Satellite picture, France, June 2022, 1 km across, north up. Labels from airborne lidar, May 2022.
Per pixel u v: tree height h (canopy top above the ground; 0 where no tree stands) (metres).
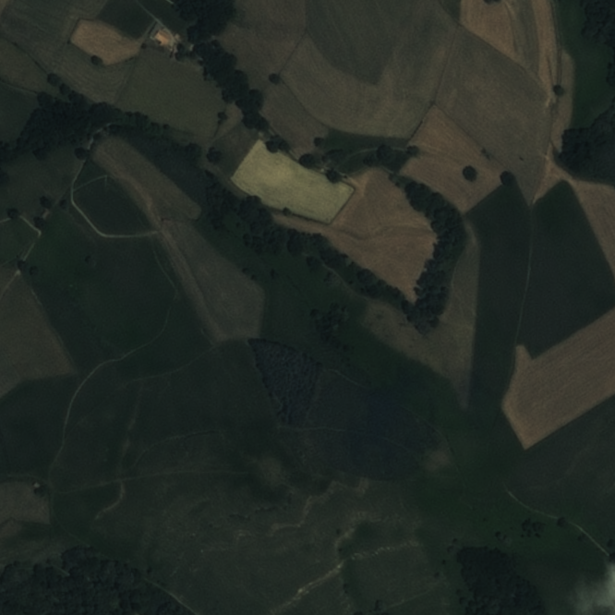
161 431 0
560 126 0
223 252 0
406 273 0
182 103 0
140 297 0
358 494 0
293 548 0
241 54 0
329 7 0
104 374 0
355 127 0
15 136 0
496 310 0
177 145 6
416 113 0
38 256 0
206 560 0
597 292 0
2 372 0
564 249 0
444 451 0
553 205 0
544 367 0
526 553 0
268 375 14
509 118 0
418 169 0
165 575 0
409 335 0
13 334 0
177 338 0
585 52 0
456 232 21
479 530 0
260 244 15
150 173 0
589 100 0
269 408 0
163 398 0
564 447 0
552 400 0
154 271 0
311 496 0
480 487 0
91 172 0
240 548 0
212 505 0
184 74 0
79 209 0
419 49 0
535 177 0
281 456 0
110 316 0
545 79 0
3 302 0
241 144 0
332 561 0
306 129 0
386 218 0
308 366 16
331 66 0
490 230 0
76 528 0
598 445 0
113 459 0
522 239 0
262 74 0
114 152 0
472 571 18
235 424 0
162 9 0
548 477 0
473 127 0
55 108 18
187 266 0
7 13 0
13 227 0
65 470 0
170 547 0
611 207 0
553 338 0
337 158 17
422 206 21
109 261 0
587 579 0
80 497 0
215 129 0
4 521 0
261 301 0
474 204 0
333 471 0
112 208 0
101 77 0
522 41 0
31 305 0
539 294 0
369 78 0
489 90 0
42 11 0
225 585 0
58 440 0
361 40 0
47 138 25
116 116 28
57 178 0
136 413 0
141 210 0
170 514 0
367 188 0
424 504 0
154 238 0
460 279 0
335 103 0
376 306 0
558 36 0
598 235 0
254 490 0
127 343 0
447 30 0
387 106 0
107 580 22
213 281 0
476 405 0
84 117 18
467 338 0
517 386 0
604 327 0
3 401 0
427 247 0
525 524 12
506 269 0
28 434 0
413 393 0
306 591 0
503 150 0
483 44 0
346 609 0
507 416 0
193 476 0
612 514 0
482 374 0
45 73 0
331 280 15
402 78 0
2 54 0
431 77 0
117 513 0
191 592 0
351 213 0
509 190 0
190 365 0
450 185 0
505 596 26
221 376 0
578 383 0
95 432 0
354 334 0
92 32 0
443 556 0
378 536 0
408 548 0
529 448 0
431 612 0
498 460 0
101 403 0
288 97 0
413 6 0
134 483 0
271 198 0
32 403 0
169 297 0
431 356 0
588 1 15
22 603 20
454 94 0
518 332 0
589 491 0
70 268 0
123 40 0
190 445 0
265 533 0
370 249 0
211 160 18
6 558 0
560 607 0
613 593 0
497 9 0
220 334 0
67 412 0
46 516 0
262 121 21
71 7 0
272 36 0
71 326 0
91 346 0
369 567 0
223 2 16
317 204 0
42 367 0
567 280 0
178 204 0
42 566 10
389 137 0
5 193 0
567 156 21
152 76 0
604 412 0
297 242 21
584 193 0
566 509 0
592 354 0
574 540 0
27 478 0
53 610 18
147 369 0
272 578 0
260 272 0
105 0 0
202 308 0
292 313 0
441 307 18
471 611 14
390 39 0
